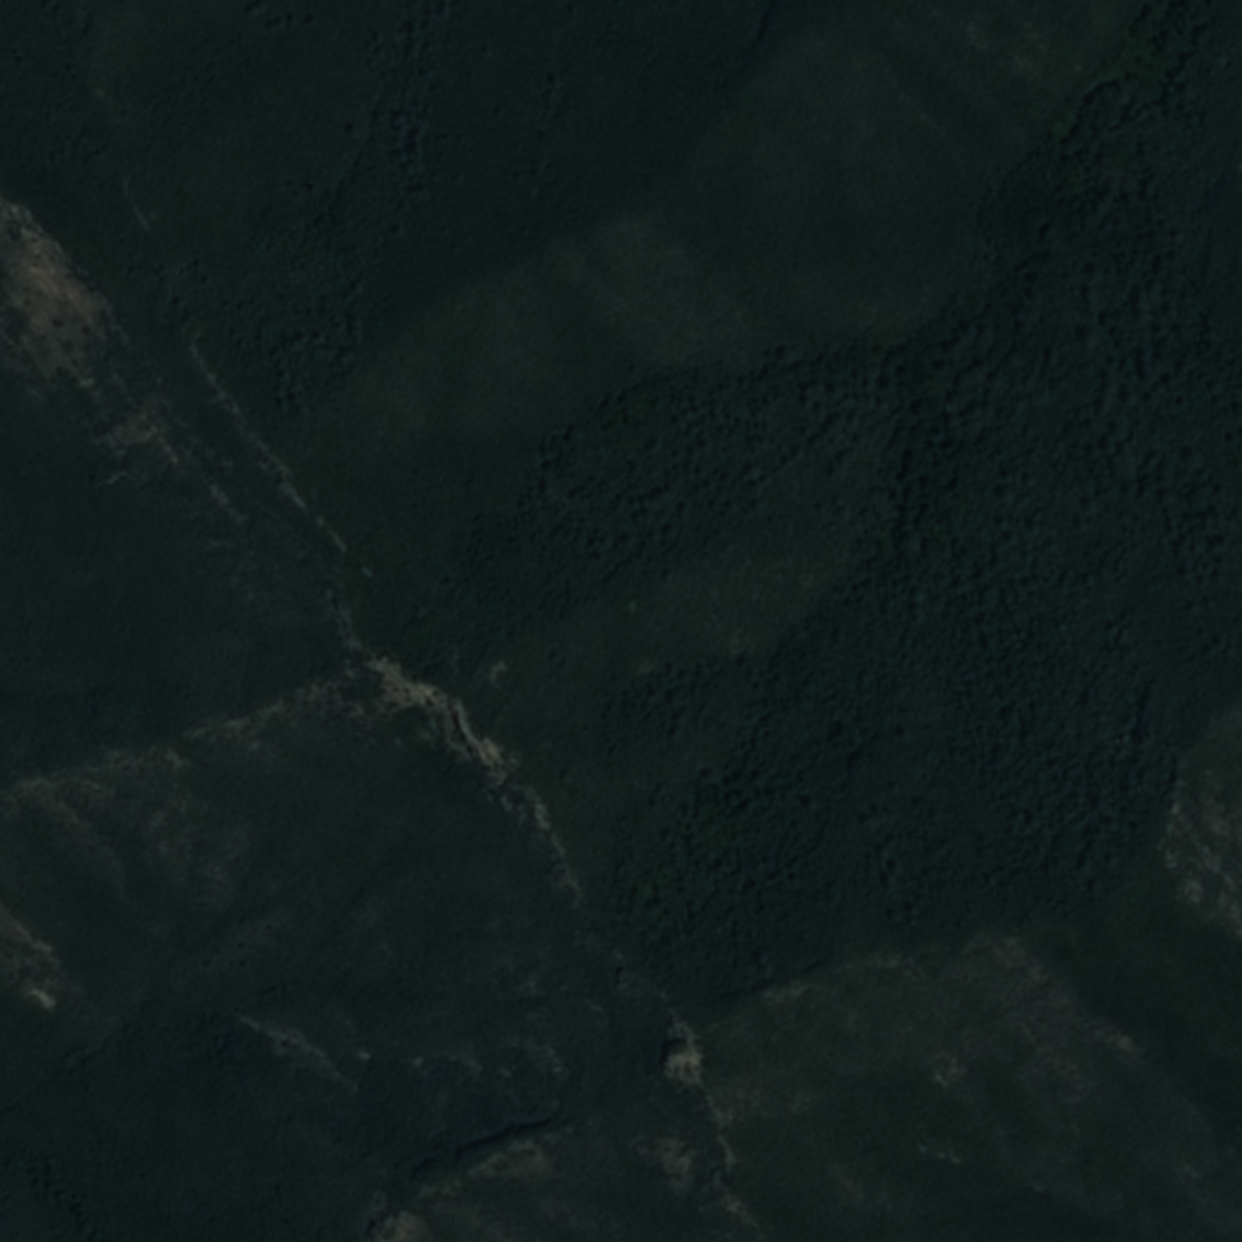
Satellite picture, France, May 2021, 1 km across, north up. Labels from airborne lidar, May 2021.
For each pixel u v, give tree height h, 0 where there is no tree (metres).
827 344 9
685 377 10
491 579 11
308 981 7
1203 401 7
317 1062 0
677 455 15
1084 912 6
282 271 8
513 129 8
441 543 6
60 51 7
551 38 7
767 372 17
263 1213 5
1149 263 9
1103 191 9
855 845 6
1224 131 6
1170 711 6
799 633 24
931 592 10
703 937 7
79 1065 6
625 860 15
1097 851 15
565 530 15
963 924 10
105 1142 6
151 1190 6
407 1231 0
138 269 6
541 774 6
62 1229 7
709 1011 6
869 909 7
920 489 12
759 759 9
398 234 12
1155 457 15
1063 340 11
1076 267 11
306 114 6
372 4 5
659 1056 6
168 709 5
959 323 14
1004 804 8
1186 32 21
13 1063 6
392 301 6
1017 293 19
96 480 9
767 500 6
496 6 6
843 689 8
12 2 6
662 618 6
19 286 0
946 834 7
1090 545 8
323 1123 5
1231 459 9
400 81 7
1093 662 6
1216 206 7
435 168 6
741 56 6
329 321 8
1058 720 9
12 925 0
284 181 6
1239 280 6
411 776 5
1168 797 11
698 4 7
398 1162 6
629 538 19
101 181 6
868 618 7
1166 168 6
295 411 8
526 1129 7
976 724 9
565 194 6
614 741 13
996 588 9
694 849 16
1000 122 5
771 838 8
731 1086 0
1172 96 13
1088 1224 7
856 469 10
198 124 6
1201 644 6
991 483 9
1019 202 16
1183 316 15
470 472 7
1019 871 8
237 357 11
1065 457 9
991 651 11
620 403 17
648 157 7
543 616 7
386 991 6
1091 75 6
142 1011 7
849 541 5
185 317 9
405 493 6
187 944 7
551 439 10
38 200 6
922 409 16
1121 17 6
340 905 7
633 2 6
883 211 6
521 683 5
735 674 7
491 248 6
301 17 7
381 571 6
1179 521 6
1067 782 14
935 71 6
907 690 7
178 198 5
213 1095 6
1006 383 11
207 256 6
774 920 6
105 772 0
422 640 8
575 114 5
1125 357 10
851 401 18
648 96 7
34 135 6
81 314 0
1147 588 9
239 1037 8
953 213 6
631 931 8
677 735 15
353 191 9
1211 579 8
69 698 6
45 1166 11
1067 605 6
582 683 6
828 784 7
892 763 6
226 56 7
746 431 11
